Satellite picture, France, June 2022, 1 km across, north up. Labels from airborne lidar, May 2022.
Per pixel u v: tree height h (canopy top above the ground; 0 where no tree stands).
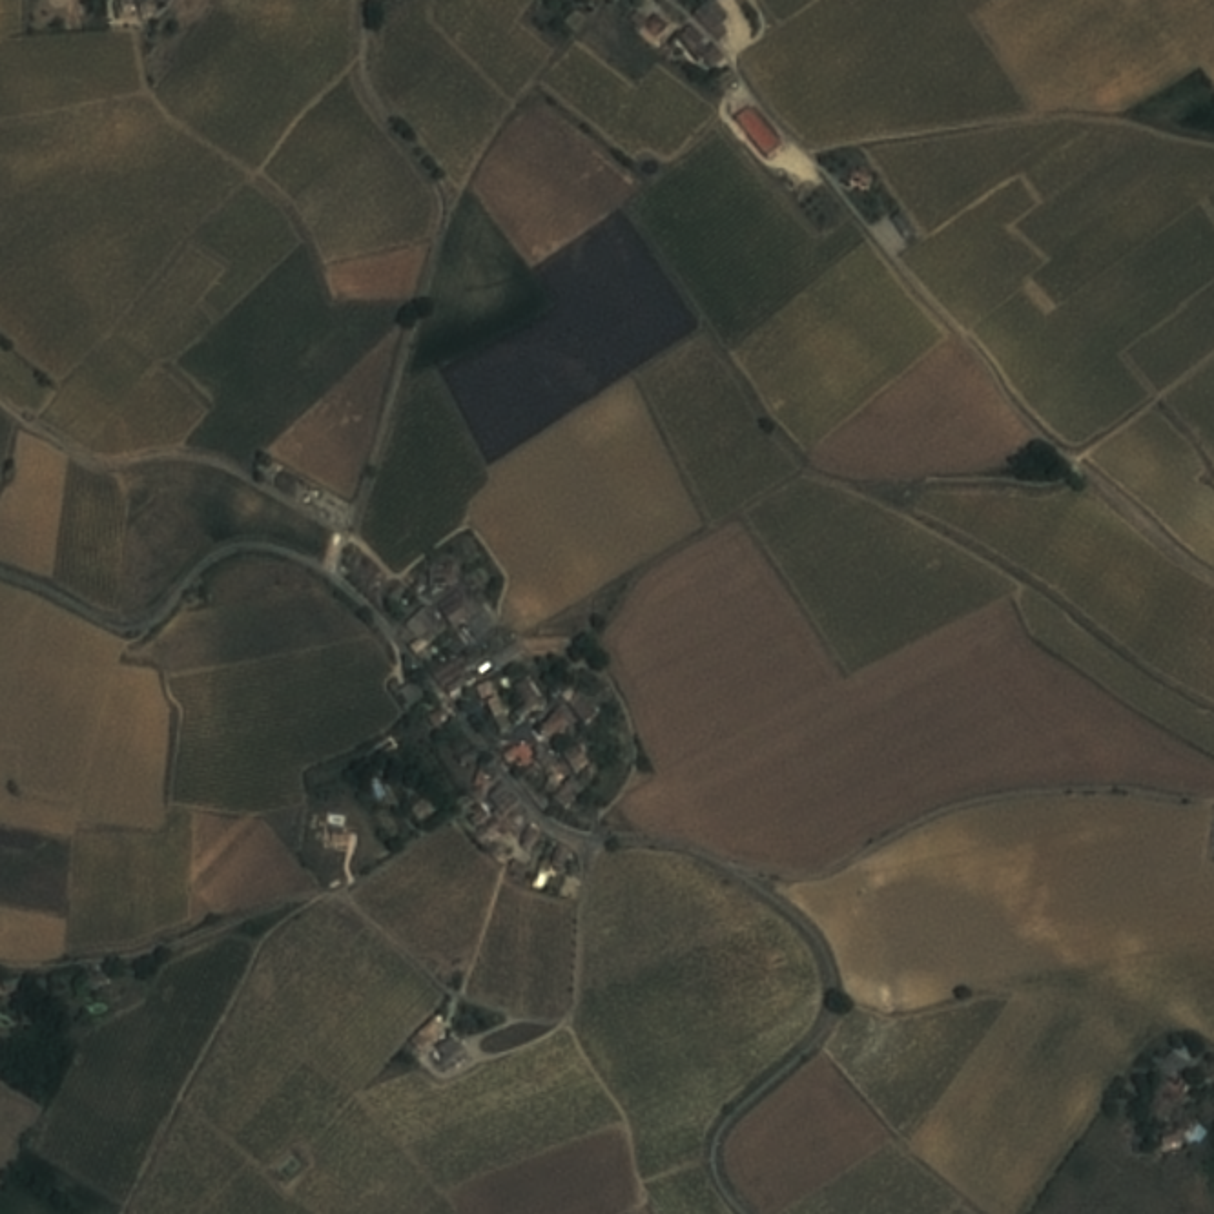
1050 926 0
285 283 0
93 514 0
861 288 0
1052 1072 0
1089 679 0
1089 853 0
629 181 0
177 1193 0
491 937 0
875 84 0
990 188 0
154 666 0
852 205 0
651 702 0
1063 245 0
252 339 0
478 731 12
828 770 0
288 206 0
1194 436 0
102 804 0
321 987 0
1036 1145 0
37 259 0
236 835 0
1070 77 0
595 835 0
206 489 0
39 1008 14
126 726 0
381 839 7
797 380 0
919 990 0
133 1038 0
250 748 0
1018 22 0
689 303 0
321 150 0
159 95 0
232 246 0
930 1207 0
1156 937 0
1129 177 0
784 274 0
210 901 0
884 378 0
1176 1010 0
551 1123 0
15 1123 0
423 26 0
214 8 0
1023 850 0
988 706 0
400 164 0
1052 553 0
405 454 0
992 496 0
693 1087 0
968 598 0
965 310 0
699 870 0
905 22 0
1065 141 0
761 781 0
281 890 0
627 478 0
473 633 0
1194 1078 16
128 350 0
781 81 0
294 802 0
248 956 0
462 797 8
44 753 0
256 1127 0
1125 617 0
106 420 0
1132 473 0
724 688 0
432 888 0
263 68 0
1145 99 0
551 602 0
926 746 0
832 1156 0
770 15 0
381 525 0
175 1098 0
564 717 0
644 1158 0
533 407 0
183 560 0
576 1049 0
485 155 0
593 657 15
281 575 0
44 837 0
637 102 0
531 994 0
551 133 0
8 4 0
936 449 0
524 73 0
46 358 0
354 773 13
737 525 0
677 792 0
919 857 0
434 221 0
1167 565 0
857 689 0
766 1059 0
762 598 0
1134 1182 0
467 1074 0
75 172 0
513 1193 0
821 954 0
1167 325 0
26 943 0
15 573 0
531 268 0
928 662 0
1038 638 0
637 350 0
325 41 0
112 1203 0
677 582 0
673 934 0
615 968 0
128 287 0
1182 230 0
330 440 0
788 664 0
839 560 0
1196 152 0
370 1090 0
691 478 0
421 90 0
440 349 0
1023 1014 0
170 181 0
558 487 0
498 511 0
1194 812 0
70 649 0
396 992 0
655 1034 0
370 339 0
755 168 0
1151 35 0
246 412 0
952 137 0
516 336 0
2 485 0
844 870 0
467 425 0
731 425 0
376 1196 0
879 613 0
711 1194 0
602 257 0
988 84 0
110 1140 0
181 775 0
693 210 0
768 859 0
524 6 0
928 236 0
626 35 0
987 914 0
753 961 0
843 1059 0
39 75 0
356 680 0
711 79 9
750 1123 0
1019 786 0
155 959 8
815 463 0
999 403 0
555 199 0
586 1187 0
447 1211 0
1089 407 0
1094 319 0
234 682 0
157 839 0
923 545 0
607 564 0
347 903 0
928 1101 0
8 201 0
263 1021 0
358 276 0
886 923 0
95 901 0
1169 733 0
